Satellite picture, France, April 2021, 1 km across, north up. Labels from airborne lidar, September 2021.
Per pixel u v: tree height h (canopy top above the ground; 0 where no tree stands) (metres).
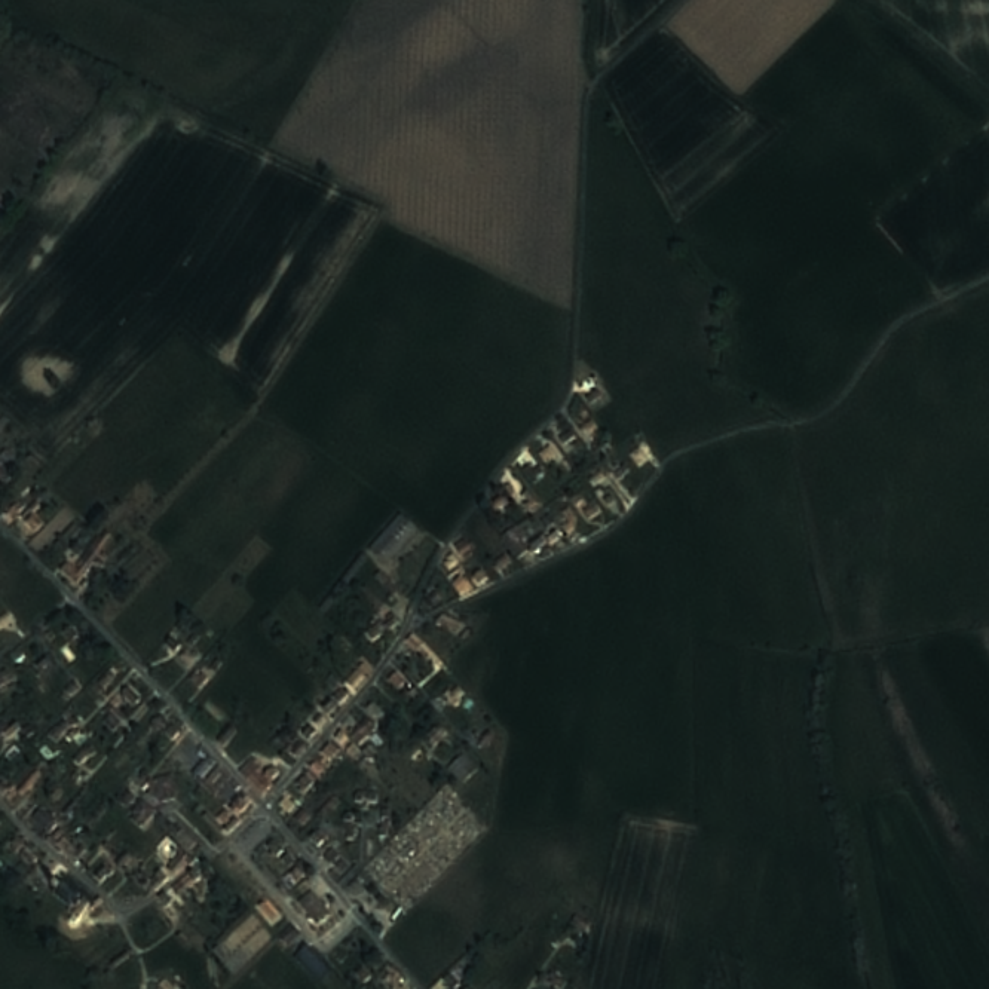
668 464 0
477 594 0
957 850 0
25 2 0
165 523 0
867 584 0
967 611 0
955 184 0
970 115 0
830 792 6
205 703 0
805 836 0
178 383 0
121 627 0
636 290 0
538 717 0
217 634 0
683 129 0
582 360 0
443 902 0
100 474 0
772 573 0
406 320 0
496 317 0
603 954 0
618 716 0
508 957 0
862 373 0
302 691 0
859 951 13
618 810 0
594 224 0
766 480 0
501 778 0
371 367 0
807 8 0
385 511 0
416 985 0
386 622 0
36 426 0
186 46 0
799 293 0
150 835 0
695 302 0
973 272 0
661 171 0
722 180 0
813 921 0
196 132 0
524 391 0
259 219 0
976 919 0
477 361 0
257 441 0
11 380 0
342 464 0
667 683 0
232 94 0
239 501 0
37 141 0
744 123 0
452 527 0
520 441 0
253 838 0
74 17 0
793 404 0
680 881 0
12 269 0
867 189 0
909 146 0
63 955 29
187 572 0
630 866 0
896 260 0
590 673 0
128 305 0
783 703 0
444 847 0
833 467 0
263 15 0
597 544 0
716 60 0
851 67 0
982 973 0
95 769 0
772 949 0
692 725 0
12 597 0
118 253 0
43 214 0
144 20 0
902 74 0
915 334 0
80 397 0
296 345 0
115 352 0
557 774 0
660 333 0
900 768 0
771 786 0
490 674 0
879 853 0
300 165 0
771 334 0
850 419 0
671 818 0
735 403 0
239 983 0
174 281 0
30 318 0
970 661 0
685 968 0
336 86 0
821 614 0
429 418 0
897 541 0
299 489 0
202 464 9
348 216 0
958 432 0
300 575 0
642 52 0
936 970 0
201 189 0
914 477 0
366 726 0
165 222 0
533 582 0
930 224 0
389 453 0
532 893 0
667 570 0
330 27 0
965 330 0
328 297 0
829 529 0
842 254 0
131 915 0
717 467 0
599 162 0
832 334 0
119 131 0
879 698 0
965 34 0
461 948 0
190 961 0
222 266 0
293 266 0
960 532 0
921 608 0
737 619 0
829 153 0
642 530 0
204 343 0
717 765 0
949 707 0
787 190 0
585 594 0
